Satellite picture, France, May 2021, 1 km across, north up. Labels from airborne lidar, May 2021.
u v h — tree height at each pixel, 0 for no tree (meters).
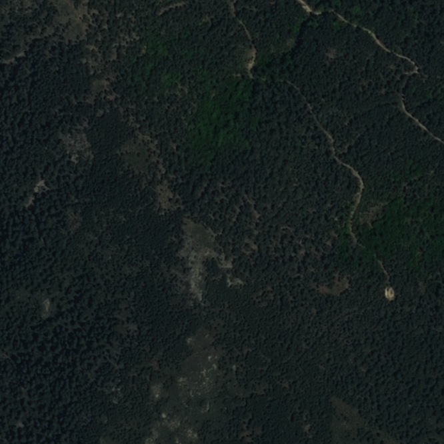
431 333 22
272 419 14
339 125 17
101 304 13
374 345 29
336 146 13
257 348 16
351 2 29
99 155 15
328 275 14
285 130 31
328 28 22
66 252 24
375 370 24
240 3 19
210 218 12
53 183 22
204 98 15
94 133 15
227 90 28
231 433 13
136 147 0
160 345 15
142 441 14
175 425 0
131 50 28
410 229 16
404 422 26
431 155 27
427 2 39
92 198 11
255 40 17
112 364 16
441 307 29
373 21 31
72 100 16
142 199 12
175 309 14
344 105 23
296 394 12
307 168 15
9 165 19
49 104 24
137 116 18
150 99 13
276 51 9
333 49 23
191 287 0
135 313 12
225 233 18
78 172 21
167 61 24
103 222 15
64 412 8
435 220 20
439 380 24
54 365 16
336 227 18
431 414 13
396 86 21
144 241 14
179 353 12
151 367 10
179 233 12
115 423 12
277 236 26
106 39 18
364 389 22
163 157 16
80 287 13
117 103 14
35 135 19
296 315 8
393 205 15
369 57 21
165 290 11
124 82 21
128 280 14
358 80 19
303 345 15
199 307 10
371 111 24
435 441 13
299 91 33
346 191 10
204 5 22
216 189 17
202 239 0
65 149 11
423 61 21
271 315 19
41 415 16
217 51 15
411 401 25
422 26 28
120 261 10
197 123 30
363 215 6
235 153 21
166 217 13
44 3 10
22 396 20
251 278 8
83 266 13
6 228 25
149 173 6
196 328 14
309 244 34
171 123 24
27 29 20
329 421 20
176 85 18
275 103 22
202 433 10
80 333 22
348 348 26
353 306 16
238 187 22
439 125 29
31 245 29
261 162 9
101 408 12
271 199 18
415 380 27
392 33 32
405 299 17
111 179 12
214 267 12
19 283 14
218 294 14
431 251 10
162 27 20
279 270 31
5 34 21
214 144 13
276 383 15
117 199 14
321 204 28
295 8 18
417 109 19
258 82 10
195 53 23
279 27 18
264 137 20
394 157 21
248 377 14
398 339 25
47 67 21
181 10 22
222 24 25
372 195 8
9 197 23
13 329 27
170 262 12
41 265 22
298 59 27
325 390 17
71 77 16
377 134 23
